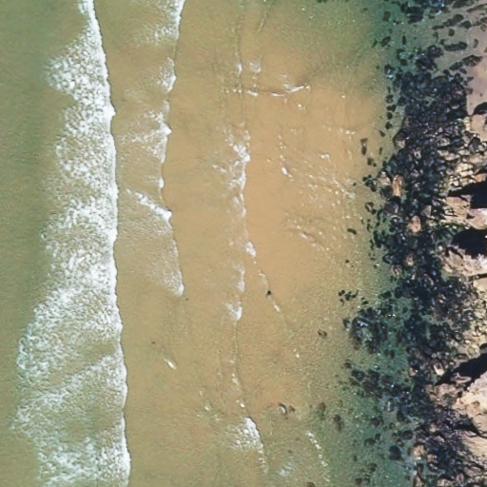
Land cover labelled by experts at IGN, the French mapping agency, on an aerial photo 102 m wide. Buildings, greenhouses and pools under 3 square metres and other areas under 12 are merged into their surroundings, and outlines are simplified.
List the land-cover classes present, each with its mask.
<instances>
[{"label":"bare soil","instance_id":"1","mask_svg":"<svg viewBox=\"0 0 487 487\"><path fill-rule=\"evenodd\" d=\"M95 17L103 40V51L107 59L110 105L114 108V116L110 120V135L116 148L118 226L114 255L108 259V263L112 266L116 302L122 320V352L127 373L124 419L127 453L131 464L127 487H487V0H93Z\"/></svg>","mask_w":487,"mask_h":487},{"label":"water","instance_id":"2","mask_svg":"<svg viewBox=\"0 0 487 487\"><path fill-rule=\"evenodd\" d=\"M114 116V108L110 105L107 59L103 51V40L95 17L93 0H0V487H127L131 464L127 453L124 419L127 373L122 352V320L116 302L112 266L108 263V259L114 255L118 226L116 148L110 135V120Z\"/></svg>","mask_w":487,"mask_h":487}]
</instances>
